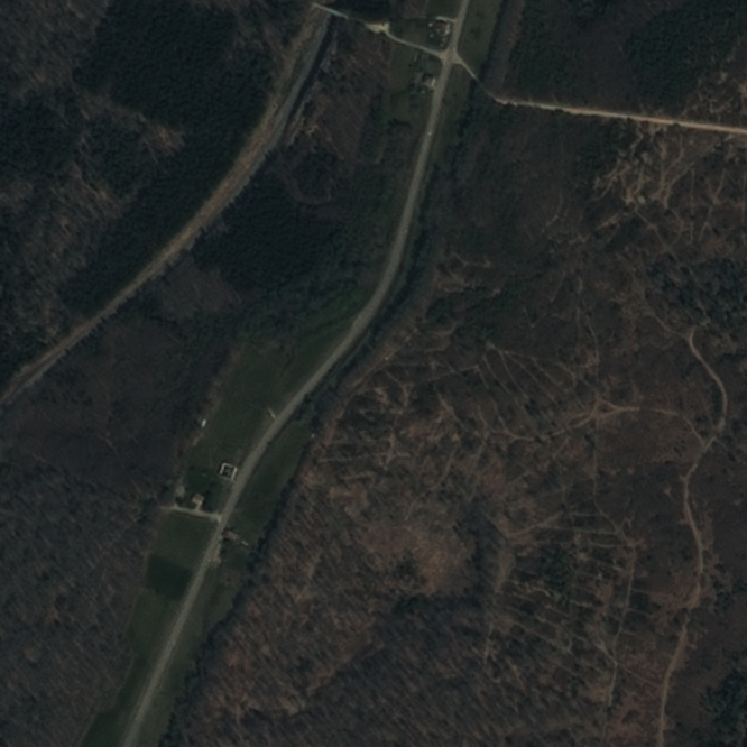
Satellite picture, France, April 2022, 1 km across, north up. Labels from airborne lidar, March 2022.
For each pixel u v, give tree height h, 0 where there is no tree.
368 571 21
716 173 7
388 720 31
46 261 23
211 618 0
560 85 8
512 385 7
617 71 11
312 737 29
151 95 26
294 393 0
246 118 23
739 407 7
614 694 6
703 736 6
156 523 28
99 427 12
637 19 11
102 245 26
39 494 28
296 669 25
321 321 23
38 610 27
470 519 25
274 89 21
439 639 29
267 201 15
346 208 12
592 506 25
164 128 23
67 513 30
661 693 0
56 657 32
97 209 21
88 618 31
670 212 7
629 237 6
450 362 7
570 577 12
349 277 26
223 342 17
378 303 0
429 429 0
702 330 19
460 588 0
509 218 12
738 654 6
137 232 22
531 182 10
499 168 9
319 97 9
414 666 29
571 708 28
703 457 7
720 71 9
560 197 7
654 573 8
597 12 9
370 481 10
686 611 11
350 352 0
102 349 13
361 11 26
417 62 0
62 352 0
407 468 0
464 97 0
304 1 22
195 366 13
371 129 18
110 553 31
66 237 17
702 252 24
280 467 0
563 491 26
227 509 0
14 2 17
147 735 0
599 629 0
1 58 30
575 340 7
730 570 8
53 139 22
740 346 24
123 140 27
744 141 0
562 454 0
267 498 0
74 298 26
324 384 0
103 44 22
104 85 25
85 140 19
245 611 29
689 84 10
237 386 0
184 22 29
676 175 0
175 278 21
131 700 0
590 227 6
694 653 7
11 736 29
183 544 0
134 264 22
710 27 7
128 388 14
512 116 14
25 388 0
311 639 24
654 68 10
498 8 0
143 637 0
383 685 28
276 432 0
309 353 0
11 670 31
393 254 0
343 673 27
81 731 23
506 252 10
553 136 9
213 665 24
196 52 20
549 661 26
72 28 24
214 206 0
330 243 18
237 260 22
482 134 17
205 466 0
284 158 11
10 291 24
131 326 18
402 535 0
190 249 0
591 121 8
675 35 9
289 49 26
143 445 9
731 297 30
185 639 0
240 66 20
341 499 0
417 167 0
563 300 7
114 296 23
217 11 20
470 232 11
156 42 32
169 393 18
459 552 0
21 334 9
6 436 23
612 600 0
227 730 6
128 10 30
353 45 22
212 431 0
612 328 6
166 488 10
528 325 6
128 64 26
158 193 30
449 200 21
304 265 18
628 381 8
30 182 21
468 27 0
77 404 13
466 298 8
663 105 6
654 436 26
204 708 31
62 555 29
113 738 0
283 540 33
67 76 25
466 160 18
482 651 25
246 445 0
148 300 18
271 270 17
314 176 20
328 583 29
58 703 33
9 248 23
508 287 8
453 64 0
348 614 30
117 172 28
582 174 8
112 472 12
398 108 0
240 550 14
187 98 25
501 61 22
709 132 0
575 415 0
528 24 12
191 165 28
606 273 11
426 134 0
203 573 0
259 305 18
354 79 12
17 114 20
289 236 19
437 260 27
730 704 30
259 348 10
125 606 27
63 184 19
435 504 25
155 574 0
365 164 20
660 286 29
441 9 0
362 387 0
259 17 20
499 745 20
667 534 6
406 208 0
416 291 19
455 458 0
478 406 26
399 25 9
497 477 0
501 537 27
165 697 0
